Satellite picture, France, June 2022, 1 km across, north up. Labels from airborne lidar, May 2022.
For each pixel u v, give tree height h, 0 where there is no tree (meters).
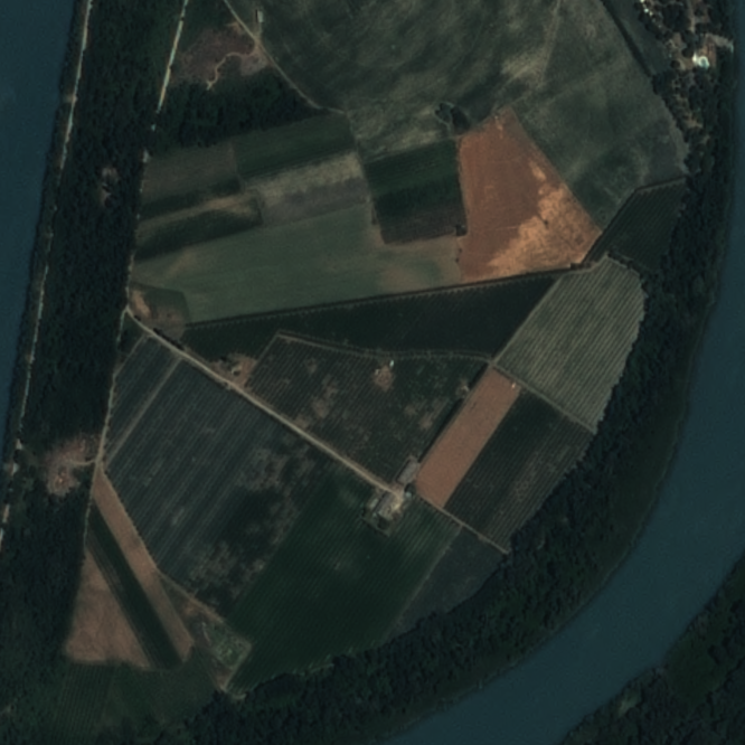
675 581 0
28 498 10
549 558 12
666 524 0
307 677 9
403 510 0
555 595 22
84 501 15
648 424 35
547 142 0
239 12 0
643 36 0
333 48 0
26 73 0
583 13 0
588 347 0
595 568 8
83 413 12
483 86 0
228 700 28
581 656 0
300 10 0
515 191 0
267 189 0
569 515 7
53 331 20
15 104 0
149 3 20
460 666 24
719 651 27
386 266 0
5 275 0
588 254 6
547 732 0
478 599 15
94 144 8
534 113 0
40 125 0
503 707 0
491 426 0
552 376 0
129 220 32
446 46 0
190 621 0
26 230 0
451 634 22
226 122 24
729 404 0
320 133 0
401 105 0
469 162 0
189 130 26
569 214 0
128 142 28
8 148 0
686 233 14
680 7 14
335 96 0
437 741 0
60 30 0
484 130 0
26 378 12
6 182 0
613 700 9
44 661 15
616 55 0
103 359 26
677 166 0
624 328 0
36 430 13
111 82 12
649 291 19
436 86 0
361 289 0
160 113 8
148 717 7
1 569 13
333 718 31
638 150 0
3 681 12
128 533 0
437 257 0
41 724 7
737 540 0
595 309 0
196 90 17
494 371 0
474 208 0
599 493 21
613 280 0
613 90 0
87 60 9
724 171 28
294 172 0
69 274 27
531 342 0
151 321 0
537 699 0
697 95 17
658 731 27
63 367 18
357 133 0
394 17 0
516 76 0
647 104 0
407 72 0
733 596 10
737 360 0
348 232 0
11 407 10
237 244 0
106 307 20
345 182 0
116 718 0
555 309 0
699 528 0
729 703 22
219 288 0
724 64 8
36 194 0
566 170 0
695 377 0
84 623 0
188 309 0
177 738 9
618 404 22
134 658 0
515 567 23
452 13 0
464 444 0
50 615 18
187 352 0
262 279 0
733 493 0
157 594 0
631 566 0
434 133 0
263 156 0
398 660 26
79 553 15
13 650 7
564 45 0
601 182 0
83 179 29
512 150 0
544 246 0
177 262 0
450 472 0
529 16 0
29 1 0
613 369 0
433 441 7
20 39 0
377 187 0
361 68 0
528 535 27
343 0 0
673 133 0
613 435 23
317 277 0
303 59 0
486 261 0
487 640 17
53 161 16
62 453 0
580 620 0
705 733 21
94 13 10
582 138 0
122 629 0
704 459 0
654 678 8
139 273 0
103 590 0
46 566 24
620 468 22
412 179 0
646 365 15
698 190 29
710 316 0
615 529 12
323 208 0
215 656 0
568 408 0
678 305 13
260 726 20
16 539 12
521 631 17
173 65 7
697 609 0
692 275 20
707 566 0
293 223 0
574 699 0
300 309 9
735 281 0
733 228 0
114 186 26
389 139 0
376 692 18
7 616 9
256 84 6
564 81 0
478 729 0
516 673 0
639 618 0
